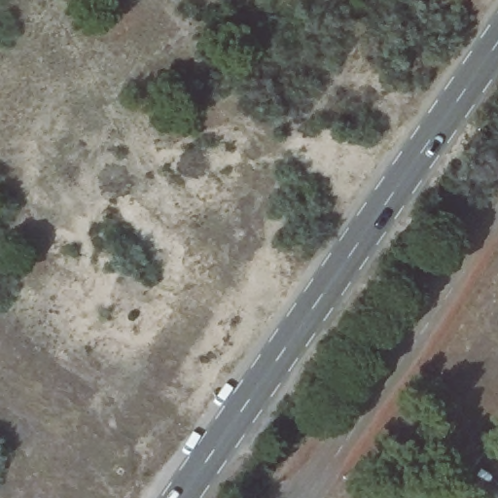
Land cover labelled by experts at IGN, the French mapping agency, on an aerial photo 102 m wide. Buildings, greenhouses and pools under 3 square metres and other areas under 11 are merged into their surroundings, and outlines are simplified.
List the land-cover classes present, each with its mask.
<instances>
[{"label":"herbaceous vegetation","instance_id":"1","mask_svg":"<svg viewBox=\"0 0 498 498\"><path fill-rule=\"evenodd\" d=\"M70 0H14V4L21 10L25 29L23 35H19L16 47L2 53L4 60H0V204H10L12 208H18V218L10 226L16 228L19 235L25 239V245L35 251L33 259L37 261L33 270L27 276H23V288L19 292L18 300L10 305L8 311L0 313V438L4 440L6 449H12L16 453L8 469L6 484L0 486V498H156L161 488L171 484L173 475L185 467L189 455L193 453V447L198 444V436L204 434V426H208L214 418L220 416L226 399L230 397L231 387L237 383V377L245 375L249 368H253L259 362L263 346L278 333V323L292 313V309L296 307V298L311 286L317 268L327 265L333 245H337L346 237V233L350 231L352 218L362 214V210L366 208L368 195L379 189V185L383 183L387 167L397 163L401 158L405 140L414 138L422 119L430 115L438 105L440 93L451 86L455 78V68L471 58L480 41L498 25V0H461L459 19L463 25L461 39L465 49L459 56L451 58L447 68L438 74V78L428 91L414 89L401 93L387 84H381L379 74L373 72L370 62L366 60L364 45L356 43L348 53L342 72L331 78L323 95L315 99L313 107L305 113L290 111L288 115L270 117L267 124H257L251 117L239 111V99L235 93H230L226 97H220L206 111V128L210 134L220 136L218 146L210 148L208 156L202 150L189 152L185 148L193 142V136H179L171 132L161 134L152 126L146 113L128 111L121 105L119 97L124 84L136 78L138 74L150 76L160 68H169L177 58H191L196 53L195 33L200 27H204V21L181 18L177 14V6L183 0H117V8L124 16L115 27L99 35H82L80 31H74L72 19L66 16V4ZM366 103H370L372 107L389 117V130L370 148L337 142L333 134L327 130L329 124L323 119H311L323 109L358 115L364 111ZM292 158L309 161V171L323 173L331 179L333 195L337 196V212L342 216L337 237L329 239L311 261L303 259L302 247H292L290 251H278L272 247L276 231L284 226L282 220H272L268 216V198L280 189L274 173V163ZM105 208H119L123 220L117 224V230L128 241L142 249L148 263H154L156 259L163 263V278L160 284L144 286L142 282L123 272H105V265L109 263L111 255L97 251L89 239V226L93 222L103 220ZM498 91V84H494L492 80L486 82L479 101L465 113V124L451 132V136L447 138V146L438 152L436 161L430 163L428 175L414 185L409 202L393 214V218L375 241L372 255H368L360 263V278L344 286L340 298L342 305L348 309L362 294L370 280H379L377 261L381 253L391 245V241L401 231L409 228L412 222V208L420 193L430 187H436L438 183L451 160L461 156L465 142L477 132V109ZM440 202L444 206L449 204V214L461 218V230L469 235V241L479 249L467 257L477 267L471 276V282L465 286L455 307L447 315L442 329L434 335V340L428 348L432 360L422 364L420 373L412 377L409 383L412 389H416V397L430 395L434 399V405L438 407V412H444L445 420L449 422V432L445 434L444 440V453L449 459V467L453 469V479L467 482L473 488H482L486 492V498H498V198L486 208H477L467 202L465 196L451 193ZM344 311L340 307H331L325 313L323 329L309 337L305 344V352L292 362L286 381L278 383L272 389L267 409H261L253 416L251 430L237 440L233 453L218 467L216 480L208 484L198 498H216L220 484L233 479L241 471L245 457L251 455L259 434L265 432L268 424L276 418V409L280 401L294 391L305 364L315 356L317 342L337 327L338 319ZM321 498H352L346 490V484L342 480L338 484H331Z\"/></svg>","mask_w":498,"mask_h":498},{"label":"deciduous trees","instance_id":"2","mask_svg":"<svg viewBox=\"0 0 498 498\"><path fill-rule=\"evenodd\" d=\"M117 0H70L66 4V16L72 19L74 31H80L82 35H99L115 27L124 16L117 8ZM177 14L181 18L204 21V27H200L195 33L196 53L191 58H177L169 68H160L150 76L138 74L136 78L124 84L119 97L121 105L128 111L146 113L152 126L161 134L171 132L179 136H193L198 130L206 128V111L220 97H226L230 93H235L239 99V111L251 117L257 124H267L270 117L288 115L290 111L305 113L313 107L315 99L323 95L331 78L342 72L348 53L356 43L364 45L366 60L370 62L373 72L379 74L381 84H387L401 93L414 89L428 91L438 78V74L447 68L451 58L459 56L465 49L461 39L463 25L459 19L461 0H183L177 6ZM311 119H323L329 124L327 130L333 134L337 142L370 148L389 130V117L372 107L370 103H366L364 111L358 115L323 109ZM309 161L292 158L274 163V173L280 189L268 198V216L272 220H282L284 226L276 231L272 247L278 251H290L292 247H302L303 259L311 261L329 239L337 237L342 216L337 212V196L333 195L331 179L323 173L309 171ZM451 193L445 191L438 183L436 187H430L420 193L412 208V222L409 228L401 231L391 241V245L381 253L377 261L379 280H370L362 294L348 309L344 311L338 319L337 327L317 342L315 356L305 364L294 391L280 401L276 409V418L268 424L265 432L259 434L251 455L245 457L241 471L233 479L220 484L216 498H282L278 480L272 479L274 471L298 449V445L302 444L305 438H337L342 434H348L354 428L356 420L362 416L358 405L368 399L373 383L381 375H385L387 370L381 360L383 352L399 344L407 329L414 333V327L438 303L445 284L459 268L463 267V261L467 257L479 249L469 241V235L461 230V218L449 214V204L444 206L440 202ZM18 208H12L10 204H0V313L8 311L10 305L18 300L19 292L23 288V276H27L33 270L37 261L33 259L35 251L25 245V239L19 235L16 228L10 226L18 218ZM123 220L119 208H105L103 220L93 222L89 226V239L97 251L111 255L109 263L105 265V272H123L142 282L144 286L160 284L163 278V263L156 259L154 263H148L142 249L128 241L117 230V224ZM399 414L385 424L389 434L375 436V449L360 457V461L350 471L346 484V490L352 498H486V492L482 488H473L467 482L453 479V469L449 467V459L444 453V440L445 434L449 432V422L445 420L444 412H438V407L434 405V399L430 395L416 397V389H412L409 383L399 391ZM16 453L12 449H6L4 440L0 438V486L6 484L8 469Z\"/></svg>","mask_w":498,"mask_h":498},{"label":"impervious surface","instance_id":"3","mask_svg":"<svg viewBox=\"0 0 498 498\"><path fill-rule=\"evenodd\" d=\"M492 80L494 84H498V25L480 41L471 58L455 68V78L451 86L440 93L438 105L430 115L422 119L414 138L405 140L401 158L397 163L387 167L383 183L379 185V189L368 195L366 208L362 210V214L352 218L350 231L346 233V237L337 245H333L327 265L317 268L311 286L296 298V307L292 309V313L278 323V333L263 346L259 362L253 368H249L245 375L237 377V383L231 387L230 397L226 399L220 416L214 418L208 426H204V434L198 436V444L193 447V453L189 455L185 467L173 475L171 484L161 488L156 498H198L208 484L216 480L218 467L233 453L237 440L251 430L253 416L261 409H267L272 389L278 383L286 381L292 362L305 352V344L309 337L323 329L325 313L331 307H340L344 311L348 309L342 305L340 298L344 286L360 278V263L368 255H372L375 241L393 218V214L409 202L414 185L428 175L430 163L436 161L438 152L447 146V138L451 136V132L465 124V113L479 101L486 82ZM477 267L467 257L463 261V267L459 268L445 284L438 303L414 327V333L407 329L399 344L383 352L381 360L387 370L385 375H381L373 383L368 399L358 405L362 416L356 420L354 428L348 434H342L337 438H305L302 444L298 445V449L274 471L272 479L278 480L282 498H321L331 484H338L342 480L346 484L350 471L360 461V457L375 449V436L389 434L385 424L399 414V391L409 383L412 377L420 373L422 364L432 360L428 348L434 340V335L442 329L447 315L455 307L465 286L471 282V276Z\"/></svg>","mask_w":498,"mask_h":498},{"label":"brushwood","instance_id":"4","mask_svg":"<svg viewBox=\"0 0 498 498\"><path fill-rule=\"evenodd\" d=\"M25 29L21 10L14 4V0H0V60H4L2 53L16 47L19 35H23ZM477 132L465 142L461 156L451 160L438 183L445 191L451 193L465 196L467 202L477 208H486L498 198V91L477 109ZM220 136L210 134L206 128L198 130L193 136V142L185 148L189 152L202 150L208 156L210 148L218 146Z\"/></svg>","mask_w":498,"mask_h":498}]
</instances>
